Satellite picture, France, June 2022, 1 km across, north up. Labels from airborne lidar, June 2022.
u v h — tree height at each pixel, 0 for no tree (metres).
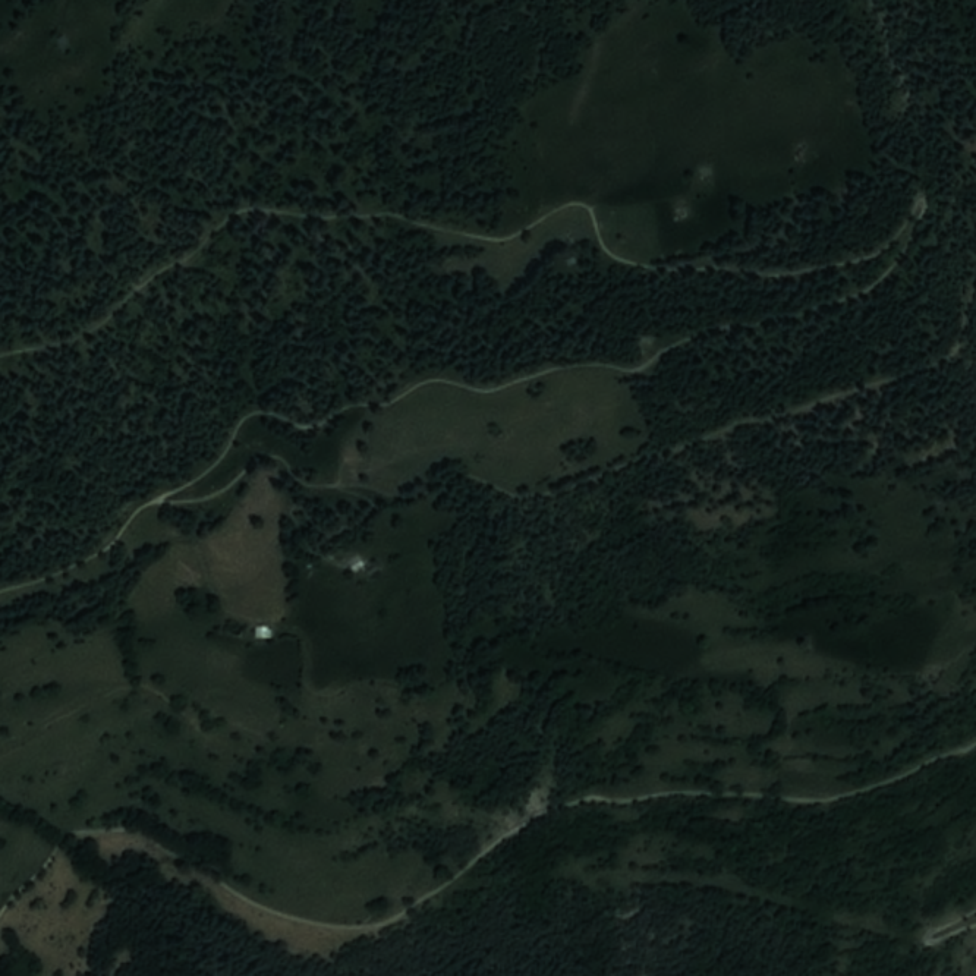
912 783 9
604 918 11
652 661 0
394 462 0
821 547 6
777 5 23
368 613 0
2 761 0
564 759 19
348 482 0
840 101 0
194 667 0
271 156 8
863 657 0
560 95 0
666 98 0
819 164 0
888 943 10
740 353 14
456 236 0
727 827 12
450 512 22
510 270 0
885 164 28
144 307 20
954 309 10
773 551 13
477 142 25
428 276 16
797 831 18
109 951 20
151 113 11
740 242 27
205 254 12
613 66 0
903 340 11
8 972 13
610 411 0
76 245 29
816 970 20
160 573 0
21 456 32
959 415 17
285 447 0
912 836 12
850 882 13
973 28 12
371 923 0
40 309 31
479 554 21
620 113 0
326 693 0
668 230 0
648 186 0
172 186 24
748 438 9
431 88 13
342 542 18
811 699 0
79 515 25
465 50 23
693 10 17
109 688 0
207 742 0
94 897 13
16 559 22
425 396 0
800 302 21
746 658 0
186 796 12
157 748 0
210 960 22
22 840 0
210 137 31
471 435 0
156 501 0
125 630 14
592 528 13
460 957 24
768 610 10
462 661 10
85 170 15
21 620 23
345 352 32
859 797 7
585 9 14
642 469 13
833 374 23
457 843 14
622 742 11
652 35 0
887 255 9
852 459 24
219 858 26
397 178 15
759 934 15
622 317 16
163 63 10
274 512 0
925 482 10
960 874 5
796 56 0
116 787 9
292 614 0
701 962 18
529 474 0
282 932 0
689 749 0
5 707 0
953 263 17
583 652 8
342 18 17
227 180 35
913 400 18
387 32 22
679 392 26
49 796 0
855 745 6
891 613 9
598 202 0
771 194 0
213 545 0
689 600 0
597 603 14
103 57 0
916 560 0
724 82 0
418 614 0
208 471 0
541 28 14
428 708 0
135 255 28
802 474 19
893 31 20
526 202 0
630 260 0
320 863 0
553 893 19
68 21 0
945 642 0
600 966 17
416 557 0
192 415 23
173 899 21
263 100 29
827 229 15
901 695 0
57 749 0
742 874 13
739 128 0
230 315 9
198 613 12
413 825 9
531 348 29
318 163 7
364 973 14
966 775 10
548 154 0
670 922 12
